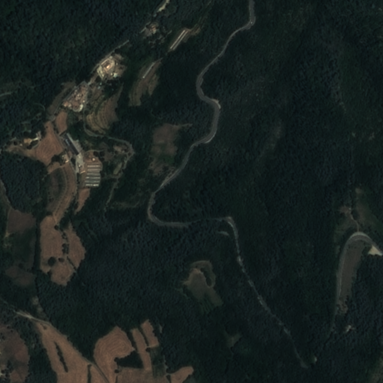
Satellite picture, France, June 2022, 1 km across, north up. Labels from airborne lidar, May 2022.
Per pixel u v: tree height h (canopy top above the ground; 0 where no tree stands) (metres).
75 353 0
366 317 19
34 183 22
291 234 11
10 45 21
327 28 23
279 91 11
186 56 12
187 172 12
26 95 8
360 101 14
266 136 11
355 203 10
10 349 0
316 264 15
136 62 8
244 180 6
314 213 11
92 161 0
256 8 14
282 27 6
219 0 20
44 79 11
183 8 24
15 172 22
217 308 15
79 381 0
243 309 20
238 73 14
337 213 9
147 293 21
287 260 7
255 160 17
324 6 9
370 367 9
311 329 21
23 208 12
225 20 10
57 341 0
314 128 10
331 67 16
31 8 16
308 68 15
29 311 12
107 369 0
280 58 13
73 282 17
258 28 9
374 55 12
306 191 10
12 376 0
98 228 16
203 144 9
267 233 11
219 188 12
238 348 17
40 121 13
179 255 17
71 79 8
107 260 17
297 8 13
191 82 17
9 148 0
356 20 18
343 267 0
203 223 24
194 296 11
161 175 7
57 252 0
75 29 9
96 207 10
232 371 23
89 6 28
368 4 8
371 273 17
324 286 14
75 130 7
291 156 9
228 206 14
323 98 15
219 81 13
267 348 15
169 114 19
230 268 12
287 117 17
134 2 15
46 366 13
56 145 0
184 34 0
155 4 11
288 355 17
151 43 13
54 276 0
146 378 0
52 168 0
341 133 9
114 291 25
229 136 9
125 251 19
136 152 6
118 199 8
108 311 22
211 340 18
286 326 17
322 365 15
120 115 7
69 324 15
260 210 10
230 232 13
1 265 15
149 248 15
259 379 7
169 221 11
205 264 0
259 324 18
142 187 6
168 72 15
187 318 16
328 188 18
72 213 14
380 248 9
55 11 7
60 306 17
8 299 13
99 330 15
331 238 12
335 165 9
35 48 11
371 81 12
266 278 14
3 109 20
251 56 8
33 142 9
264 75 13
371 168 21
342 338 14
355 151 9
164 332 17
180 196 15
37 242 11
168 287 9
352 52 14
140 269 18
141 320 13
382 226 0
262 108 20
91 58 18
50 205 0
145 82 0
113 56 9
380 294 15
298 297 21
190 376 9
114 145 8
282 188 11
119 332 0
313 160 15
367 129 10
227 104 18
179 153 19
